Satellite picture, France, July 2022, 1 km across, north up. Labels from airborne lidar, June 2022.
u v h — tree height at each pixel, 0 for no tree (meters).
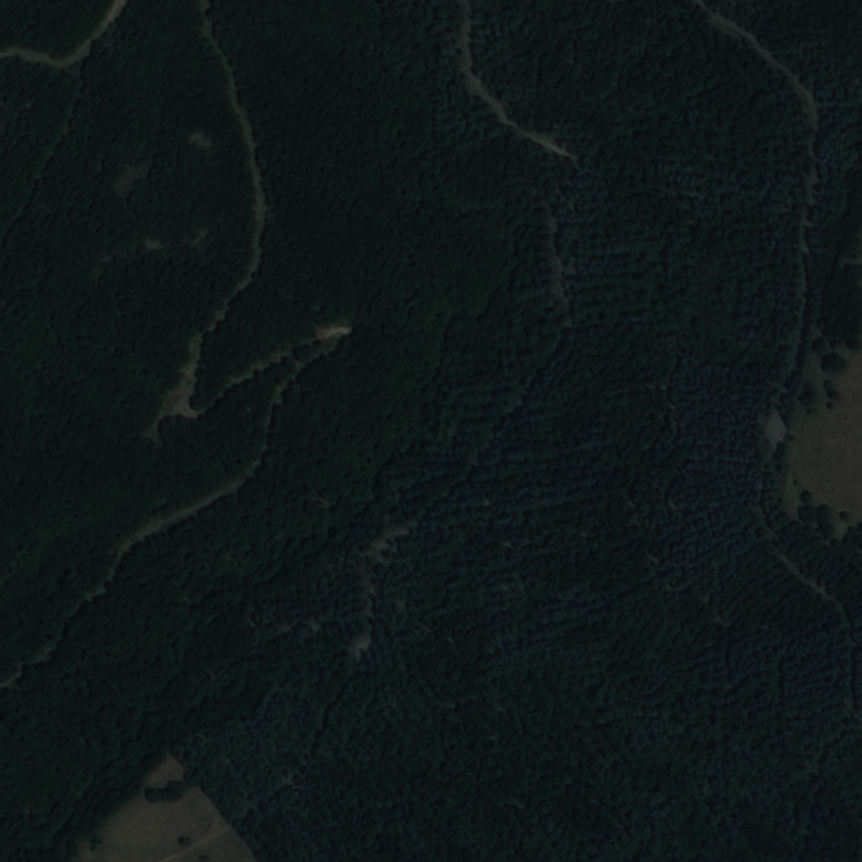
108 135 14
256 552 20
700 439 22
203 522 20
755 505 21
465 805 16
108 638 24
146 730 19
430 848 15
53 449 15
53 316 15
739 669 24
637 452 18
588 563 19
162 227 10
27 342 17
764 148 14
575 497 19
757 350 27
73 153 12
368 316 17
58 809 20
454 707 7
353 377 20
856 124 13
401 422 20
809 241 17
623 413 22
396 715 18
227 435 19
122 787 7
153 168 8
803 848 10
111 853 0
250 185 13
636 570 15
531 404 24
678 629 11
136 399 14
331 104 17
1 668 24
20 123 11
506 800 17
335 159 16
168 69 12
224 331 17
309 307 17
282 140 16
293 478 19
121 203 7
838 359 14
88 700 22
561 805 20
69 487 16
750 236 18
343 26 11
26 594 22
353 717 11
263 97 15
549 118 17
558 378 15
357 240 16
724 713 21
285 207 15
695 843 12
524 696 17
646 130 19
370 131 17
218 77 11
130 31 13
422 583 23
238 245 14
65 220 16
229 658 19
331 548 17
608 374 18
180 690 17
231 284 16
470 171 17
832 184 21
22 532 15
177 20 12
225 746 25
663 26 12
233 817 29
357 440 18
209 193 11
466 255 17
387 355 20
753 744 12
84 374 15
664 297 15
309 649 22
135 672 22
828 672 22
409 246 17
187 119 14
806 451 0
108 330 16
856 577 16
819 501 0
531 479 21
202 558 22
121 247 11
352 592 14
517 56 14
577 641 15
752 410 17
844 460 0
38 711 17
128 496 16
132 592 22
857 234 11
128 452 16
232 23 14
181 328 18
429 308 15
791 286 17
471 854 17
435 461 18
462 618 18
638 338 21
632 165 17
